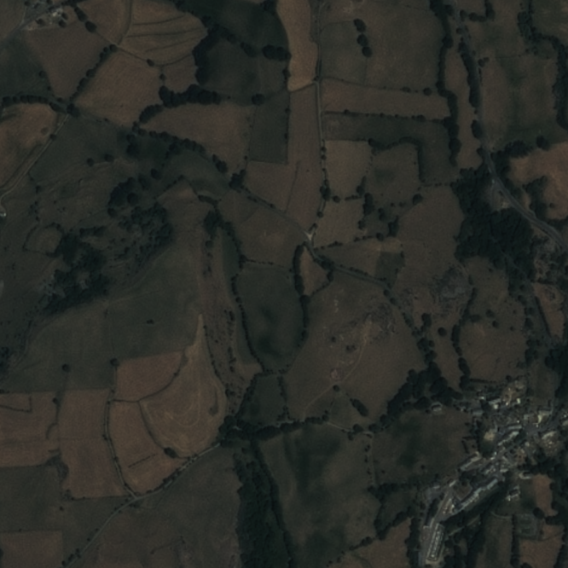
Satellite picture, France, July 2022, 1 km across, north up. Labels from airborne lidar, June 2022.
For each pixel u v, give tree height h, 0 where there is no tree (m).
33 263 0
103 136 0
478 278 0
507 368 0
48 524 0
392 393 0
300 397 0
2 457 0
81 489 0
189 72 0
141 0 0
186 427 0
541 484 0
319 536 0
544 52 0
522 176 0
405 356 0
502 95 0
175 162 0
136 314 0
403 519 13
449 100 6
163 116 0
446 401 17
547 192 0
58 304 6
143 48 0
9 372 0
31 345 0
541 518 17
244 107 0
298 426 15
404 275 0
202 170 0
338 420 0
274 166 0
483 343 0
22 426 0
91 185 0
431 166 0
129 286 0
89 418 0
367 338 0
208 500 0
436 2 24
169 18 0
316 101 0
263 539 13
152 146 0
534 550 0
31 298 0
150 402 0
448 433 0
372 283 0
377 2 0
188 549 0
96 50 0
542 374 0
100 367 0
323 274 0
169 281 0
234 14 0
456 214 0
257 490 9
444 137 0
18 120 0
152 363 0
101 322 0
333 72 0
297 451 0
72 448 0
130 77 0
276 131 0
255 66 0
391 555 0
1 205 0
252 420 0
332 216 0
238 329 0
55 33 0
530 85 0
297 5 0
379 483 0
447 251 0
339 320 0
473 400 0
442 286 0
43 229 0
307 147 0
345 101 0
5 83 0
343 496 0
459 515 10
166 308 0
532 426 0
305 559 0
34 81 0
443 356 0
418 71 0
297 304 0
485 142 0
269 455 0
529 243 7
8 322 6
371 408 0
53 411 0
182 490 0
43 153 0
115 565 0
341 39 0
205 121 0
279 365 0
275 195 0
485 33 0
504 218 8
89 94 0
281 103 0
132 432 0
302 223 0
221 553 0
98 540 0
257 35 0
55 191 0
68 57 0
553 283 8
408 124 0
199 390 0
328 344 0
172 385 0
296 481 0
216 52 0
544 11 0
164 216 10
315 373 0
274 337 0
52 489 0
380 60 0
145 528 0
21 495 0
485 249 7
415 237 0
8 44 0
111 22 0
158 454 0
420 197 14
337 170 0
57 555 0
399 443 0
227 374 0
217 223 11
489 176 14
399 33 0
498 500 15
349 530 0
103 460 0
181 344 0
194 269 0
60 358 0
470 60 20
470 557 17
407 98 0
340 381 0
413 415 0
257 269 0
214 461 0
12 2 0
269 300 0
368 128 0
